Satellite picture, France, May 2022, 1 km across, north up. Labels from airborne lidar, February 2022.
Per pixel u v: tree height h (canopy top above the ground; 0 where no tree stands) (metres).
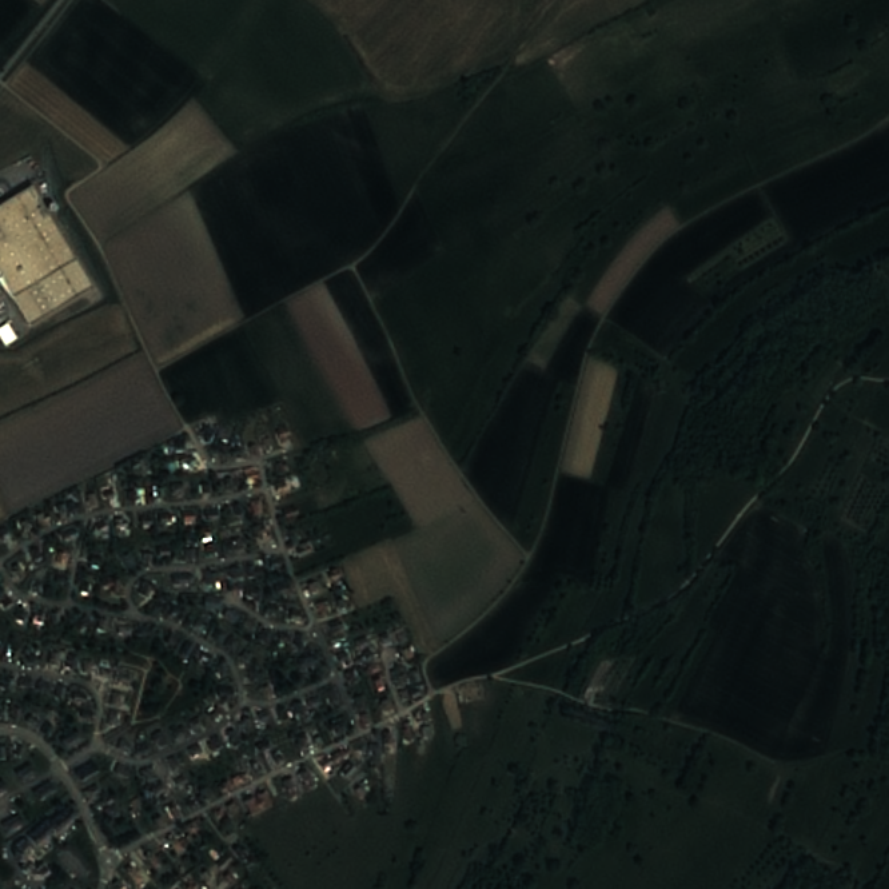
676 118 0
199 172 0
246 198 0
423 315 0
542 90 0
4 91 0
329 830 0
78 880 0
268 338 0
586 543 0
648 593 0
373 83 0
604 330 0
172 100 0
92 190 0
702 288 0
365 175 0
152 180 0
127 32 0
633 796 8
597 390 0
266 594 12
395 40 0
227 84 0
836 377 0
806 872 14
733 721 0
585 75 0
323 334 0
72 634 6
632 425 0
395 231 0
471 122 0
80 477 0
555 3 0
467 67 0
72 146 0
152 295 0
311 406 0
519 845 0
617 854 0
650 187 0
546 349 0
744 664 0
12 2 0
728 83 0
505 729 0
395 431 0
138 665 0
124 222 0
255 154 0
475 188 0
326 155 0
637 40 0
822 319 20
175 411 0
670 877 0
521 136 0
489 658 0
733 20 0
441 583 0
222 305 0
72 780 0
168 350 0
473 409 0
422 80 0
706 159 0
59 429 0
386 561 0
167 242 0
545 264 0
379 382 0
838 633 0
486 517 0
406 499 0
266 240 0
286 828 0
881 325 0
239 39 0
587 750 0
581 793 7
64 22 0
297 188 0
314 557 0
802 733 0
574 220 0
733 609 0
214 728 0
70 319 0
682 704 0
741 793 0
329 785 0
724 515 0
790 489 0
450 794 0
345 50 0
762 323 19
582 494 0
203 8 0
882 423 0
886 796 0
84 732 8
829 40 0
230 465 0
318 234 0
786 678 0
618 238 0
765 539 0
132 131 0
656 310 0
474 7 0
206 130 0
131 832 5
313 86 0
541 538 0
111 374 0
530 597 0
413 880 7
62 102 0
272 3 0
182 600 11
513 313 0
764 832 0
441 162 0
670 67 0
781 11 0
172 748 0
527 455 0
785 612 0
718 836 0
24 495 0
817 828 0
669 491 0
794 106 0
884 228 0
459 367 0
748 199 0
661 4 0
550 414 0
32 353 0
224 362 0
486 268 0
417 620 0
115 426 0
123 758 0
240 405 0
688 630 0
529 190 0
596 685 0
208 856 0
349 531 0
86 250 0
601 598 0
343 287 0
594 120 0
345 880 0
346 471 0
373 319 0
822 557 0
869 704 0
